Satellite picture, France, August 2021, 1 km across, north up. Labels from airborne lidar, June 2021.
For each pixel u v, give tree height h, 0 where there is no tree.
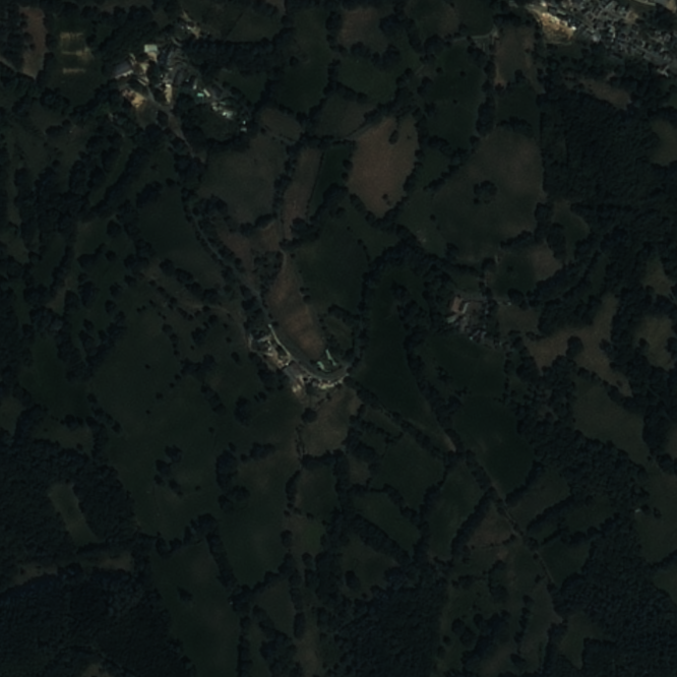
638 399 23
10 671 17
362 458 22
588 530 0
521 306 18
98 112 22
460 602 0
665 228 14
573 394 20
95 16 23
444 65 0
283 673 19
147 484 0
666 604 17
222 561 20
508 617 16
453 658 0
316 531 0
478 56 17
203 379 14
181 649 22
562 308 17
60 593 25
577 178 18
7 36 9
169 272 17
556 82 28
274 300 0
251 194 0
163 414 0
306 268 0
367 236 0
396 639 20
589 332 0
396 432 0
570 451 21
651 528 0
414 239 16
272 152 0
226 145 12
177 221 0
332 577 24
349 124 0
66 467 20
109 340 18
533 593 0
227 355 0
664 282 0
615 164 23
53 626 21
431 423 0
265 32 0
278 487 0
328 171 0
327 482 0
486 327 6
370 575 0
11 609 22
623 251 33
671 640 26
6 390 22
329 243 0
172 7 20
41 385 0
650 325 0
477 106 0
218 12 0
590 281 12
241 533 0
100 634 6
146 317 0
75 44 0
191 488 0
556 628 13
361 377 0
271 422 0
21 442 22
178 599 0
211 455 0
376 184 0
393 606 22
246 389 0
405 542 0
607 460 23
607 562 20
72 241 18
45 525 23
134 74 9
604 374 0
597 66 13
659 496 0
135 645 9
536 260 0
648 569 24
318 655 0
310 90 0
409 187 16
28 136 0
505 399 12
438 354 0
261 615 19
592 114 25
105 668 17
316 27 0
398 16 18
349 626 22
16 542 10
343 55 17
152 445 0
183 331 0
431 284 23
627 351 26
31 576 0
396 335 0
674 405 22
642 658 19
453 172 15
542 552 0
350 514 24
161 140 27
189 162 14
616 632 18
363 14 0
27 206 17
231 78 0
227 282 17
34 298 26
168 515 0
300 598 20
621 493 21
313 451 0
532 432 23
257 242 0
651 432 22
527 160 0
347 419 0
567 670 18
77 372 25
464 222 0
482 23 0
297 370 0
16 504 19
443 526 0
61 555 22
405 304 29
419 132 12
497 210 0
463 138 0
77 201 26
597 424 0
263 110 10
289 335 0
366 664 23
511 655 0
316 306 0
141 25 25
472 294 0
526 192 0
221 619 0
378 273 22
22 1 21
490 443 0
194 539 25
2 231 20
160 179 0
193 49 22
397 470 0
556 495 0
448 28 0
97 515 20
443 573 18
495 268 18
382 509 0
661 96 13
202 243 10
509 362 11
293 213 0
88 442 0
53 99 26
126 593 30
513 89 12
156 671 8
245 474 0
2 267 23
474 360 0
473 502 0
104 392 0
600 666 19
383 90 0
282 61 18
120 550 22
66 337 25
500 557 0
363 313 19
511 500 15
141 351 0
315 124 18
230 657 0
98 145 23
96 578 10
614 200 20
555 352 0
